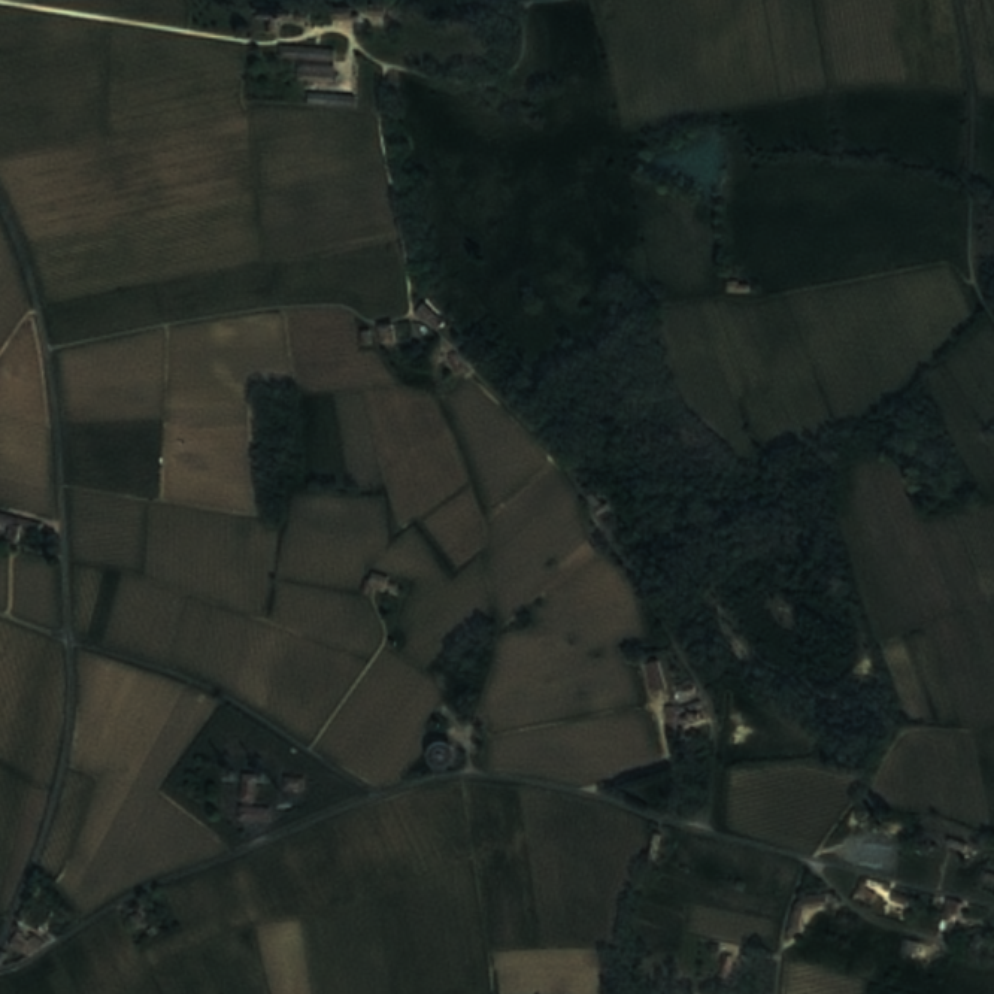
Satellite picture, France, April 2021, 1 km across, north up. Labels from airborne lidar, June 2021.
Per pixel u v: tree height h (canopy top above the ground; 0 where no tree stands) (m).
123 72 0
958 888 0
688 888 0
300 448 13
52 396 0
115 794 0
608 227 0
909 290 0
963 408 0
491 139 0
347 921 0
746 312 0
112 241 0
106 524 0
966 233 0
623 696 0
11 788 0
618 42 0
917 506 21
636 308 16
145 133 0
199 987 0
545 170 0
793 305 0
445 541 0
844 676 9
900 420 24
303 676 0
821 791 0
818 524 14
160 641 0
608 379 15
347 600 0
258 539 0
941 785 0
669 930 0
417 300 9
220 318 0
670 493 8
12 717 0
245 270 0
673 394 15
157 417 0
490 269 0
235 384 0
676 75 0
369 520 0
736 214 0
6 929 0
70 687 0
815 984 0
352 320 0
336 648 0
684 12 0
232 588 0
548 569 0
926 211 0
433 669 0
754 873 0
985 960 18
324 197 0
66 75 0
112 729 0
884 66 0
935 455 22
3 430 0
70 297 0
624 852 0
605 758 0
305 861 0
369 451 0
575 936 0
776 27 0
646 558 13
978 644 0
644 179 9
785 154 25
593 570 0
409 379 0
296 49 0
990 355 0
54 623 0
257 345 0
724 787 0
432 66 14
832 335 0
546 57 0
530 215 0
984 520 0
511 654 0
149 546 0
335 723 0
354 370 0
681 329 0
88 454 0
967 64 0
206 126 0
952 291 0
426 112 0
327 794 0
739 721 0
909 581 0
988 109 0
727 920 0
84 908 0
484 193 0
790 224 0
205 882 0
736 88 0
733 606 6
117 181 0
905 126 0
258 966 0
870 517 0
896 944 0
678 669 9
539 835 0
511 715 0
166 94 0
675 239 0
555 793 0
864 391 0
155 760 0
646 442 8
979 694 0
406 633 0
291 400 17
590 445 21
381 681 0
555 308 0
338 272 0
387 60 0
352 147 0
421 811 0
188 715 0
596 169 0
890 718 17
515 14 22
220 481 0
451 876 0
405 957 0
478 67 17
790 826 0
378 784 0
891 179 0
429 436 0
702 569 17
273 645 0
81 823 0
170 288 0
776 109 0
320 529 0
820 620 16
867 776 14
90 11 0
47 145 0
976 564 0
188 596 0
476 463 0
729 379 0
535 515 0
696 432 9
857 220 0
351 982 0
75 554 0
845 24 0
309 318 0
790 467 22
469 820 0
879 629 0
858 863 0
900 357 0
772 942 0
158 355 0
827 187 0
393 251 0
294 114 0
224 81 0
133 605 0
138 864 0
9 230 0
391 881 0
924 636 0
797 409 0
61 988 0
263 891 0
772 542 22
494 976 0
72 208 0
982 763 0
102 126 0
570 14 0
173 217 0
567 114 0
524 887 0
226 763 0
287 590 0
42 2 0
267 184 0
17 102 0
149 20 0
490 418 0
